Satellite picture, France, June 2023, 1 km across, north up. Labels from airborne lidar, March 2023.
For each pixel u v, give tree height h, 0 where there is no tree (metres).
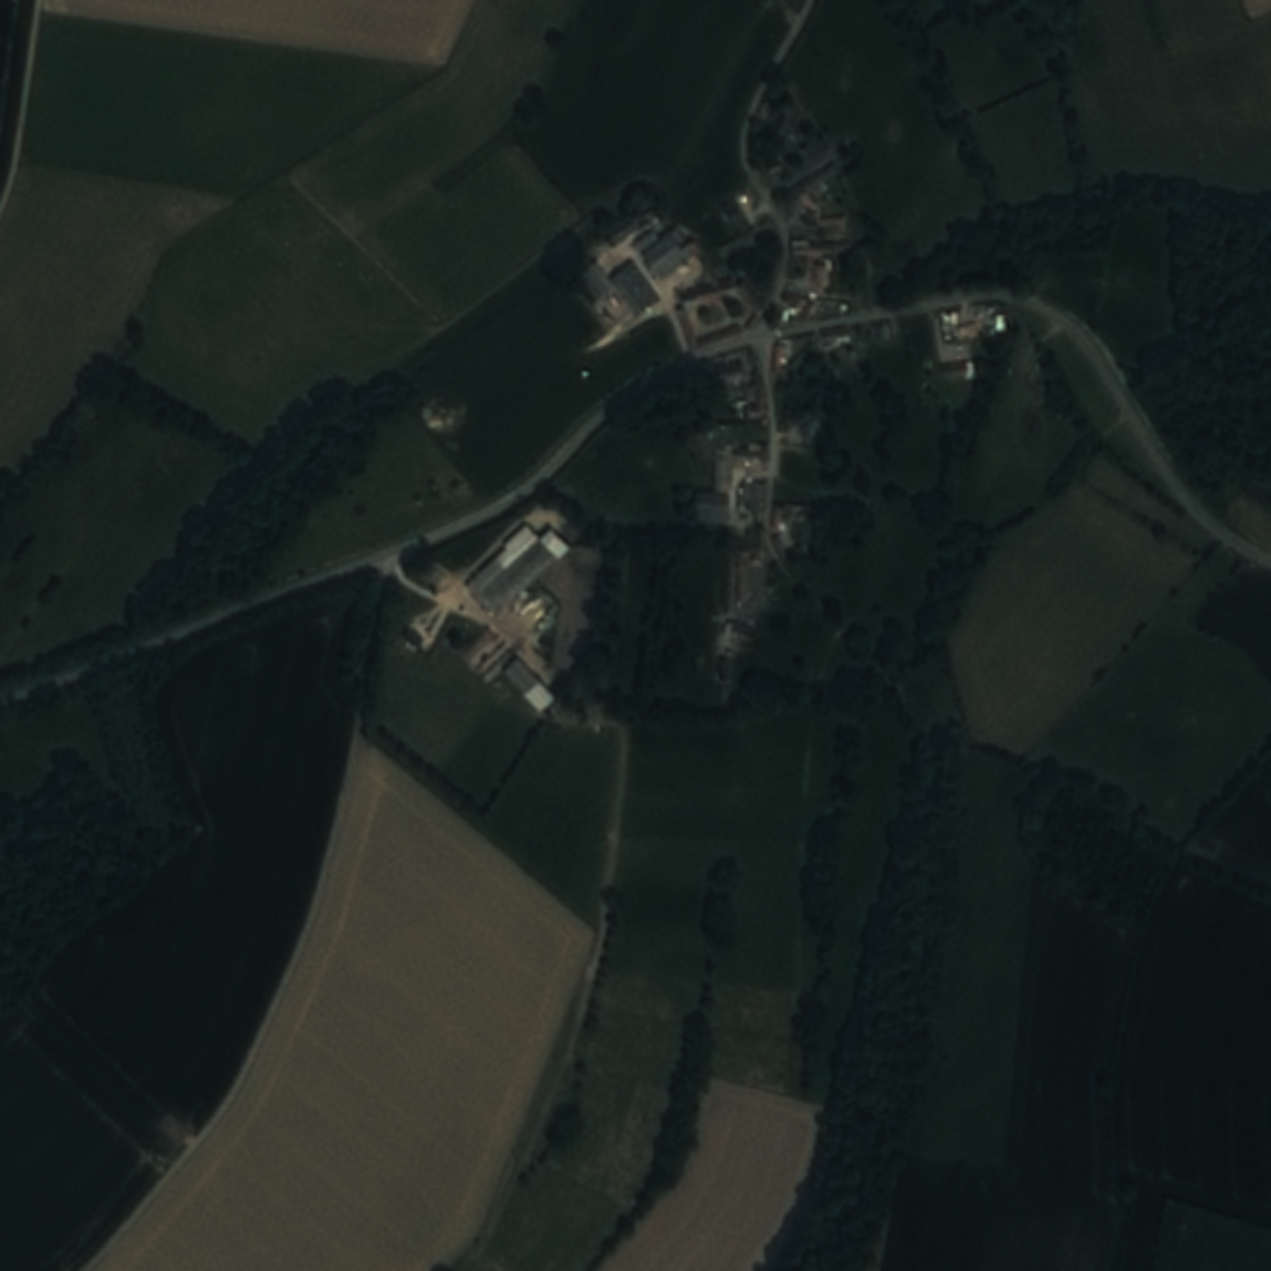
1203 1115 0
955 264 10
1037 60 0
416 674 0
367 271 0
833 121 0
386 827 0
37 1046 0
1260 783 0
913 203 0
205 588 26
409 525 0
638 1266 0
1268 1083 0
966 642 0
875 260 0
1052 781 13
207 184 0
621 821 0
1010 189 0
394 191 0
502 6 0
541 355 0
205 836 0
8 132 0
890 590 0
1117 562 0
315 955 0
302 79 0
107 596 0
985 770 0
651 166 0
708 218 0
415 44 0
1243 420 22
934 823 25
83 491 0
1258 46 0
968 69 0
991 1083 0
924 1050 21
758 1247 0
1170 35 0
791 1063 0
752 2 0
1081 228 17
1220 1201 0
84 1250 0
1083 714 0
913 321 0
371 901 0
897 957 28
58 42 0
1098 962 0
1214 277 19
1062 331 0
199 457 0
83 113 0
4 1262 0
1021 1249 0
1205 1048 0
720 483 0
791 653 0
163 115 0
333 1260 0
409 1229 0
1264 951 0
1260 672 0
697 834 0
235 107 0
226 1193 0
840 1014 0
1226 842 0
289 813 0
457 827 0
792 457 0
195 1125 0
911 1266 0
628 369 0
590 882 0
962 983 0
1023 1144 0
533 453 0
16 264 0
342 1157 0
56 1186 0
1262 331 18
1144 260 0
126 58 0
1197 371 24
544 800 0
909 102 0
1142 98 0
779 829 0
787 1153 0
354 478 0
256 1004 0
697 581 0
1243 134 0
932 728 0
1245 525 0
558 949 0
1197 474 12
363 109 0
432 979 0
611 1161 0
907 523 0
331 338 0
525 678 0
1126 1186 16
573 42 0
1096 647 0
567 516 11
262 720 0
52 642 0
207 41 0
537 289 0
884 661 21
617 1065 0
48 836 20
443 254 0
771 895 0
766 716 0
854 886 0
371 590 9
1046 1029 0
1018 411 0
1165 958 0
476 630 0
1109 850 9
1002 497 0
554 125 0
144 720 18
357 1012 0
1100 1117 0
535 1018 0
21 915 18
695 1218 0
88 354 0
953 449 23
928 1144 0
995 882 0
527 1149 0
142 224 0
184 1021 0
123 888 22
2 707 18
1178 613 0
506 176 0
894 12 16
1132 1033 0
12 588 0
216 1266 0
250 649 0
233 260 0
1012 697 0
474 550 0
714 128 0
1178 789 0
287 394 0
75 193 0
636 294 0
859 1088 29
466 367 0
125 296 0
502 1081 0
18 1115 0
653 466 0
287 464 22
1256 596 0
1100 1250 0
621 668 0
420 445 0
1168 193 18
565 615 0
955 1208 0
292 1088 0
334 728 0
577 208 0
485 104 0
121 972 0
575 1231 0
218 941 0
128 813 24
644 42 0
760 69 0
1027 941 0
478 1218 0
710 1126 0
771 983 0
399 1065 0
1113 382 0
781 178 9
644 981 0
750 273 11
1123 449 0
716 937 20
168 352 0
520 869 0
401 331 0
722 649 0
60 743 0
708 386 23
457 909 0
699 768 0
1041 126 0
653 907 0
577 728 0
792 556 12
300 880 0
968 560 10
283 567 0
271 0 0
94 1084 0
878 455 15
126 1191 0
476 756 0
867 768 0
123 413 0
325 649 0
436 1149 0
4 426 0
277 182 0
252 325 0
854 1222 17
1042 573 0
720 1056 0
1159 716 0
